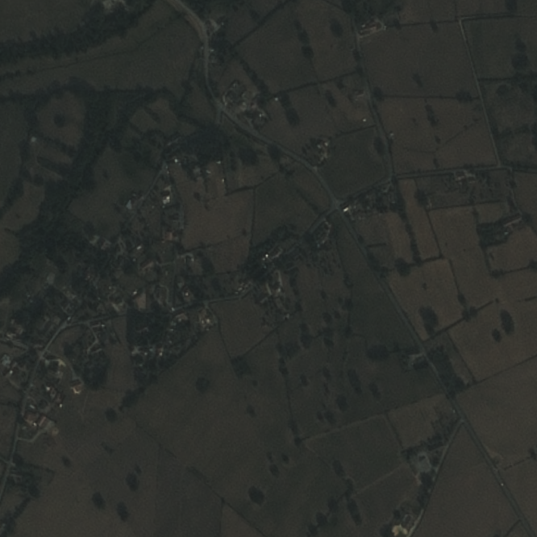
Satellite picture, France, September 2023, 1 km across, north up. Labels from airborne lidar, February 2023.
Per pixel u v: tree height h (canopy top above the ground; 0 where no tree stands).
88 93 23
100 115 7
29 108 0
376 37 0
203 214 0
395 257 0
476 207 0
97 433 0
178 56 0
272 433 0
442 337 0
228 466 0
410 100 0
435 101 0
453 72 0
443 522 0
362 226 0
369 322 0
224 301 0
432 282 0
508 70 0
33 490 14
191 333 0
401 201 19
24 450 0
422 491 15
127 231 7
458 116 0
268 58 0
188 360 0
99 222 0
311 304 0
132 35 0
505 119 0
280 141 0
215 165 0
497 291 0
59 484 0
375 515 0
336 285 0
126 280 0
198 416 0
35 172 0
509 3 17
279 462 0
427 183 0
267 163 0
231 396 0
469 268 0
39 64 0
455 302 0
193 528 0
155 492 0
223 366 0
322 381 0
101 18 14
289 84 0
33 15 0
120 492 0
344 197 0
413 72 0
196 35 0
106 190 0
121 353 0
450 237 0
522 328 0
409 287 0
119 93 5
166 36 0
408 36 0
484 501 0
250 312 0
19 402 5
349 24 0
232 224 0
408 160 0
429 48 0
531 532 0
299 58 0
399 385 0
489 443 0
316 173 0
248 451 0
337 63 0
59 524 0
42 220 19
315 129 0
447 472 0
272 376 0
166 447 0
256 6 0
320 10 0
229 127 0
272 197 0
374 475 0
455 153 0
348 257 0
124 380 0
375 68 0
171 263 16
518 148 0
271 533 0
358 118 0
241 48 0
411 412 0
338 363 0
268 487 0
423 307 0
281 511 0
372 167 0
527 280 0
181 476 0
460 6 0
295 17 0
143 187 0
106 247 0
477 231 7
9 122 0
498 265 0
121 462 0
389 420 0
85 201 0
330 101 16
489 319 0
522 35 0
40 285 0
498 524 0
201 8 7
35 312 20
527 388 0
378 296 0
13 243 0
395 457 0
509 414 0
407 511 0
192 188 0
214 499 0
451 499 0
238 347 0
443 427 7
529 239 0
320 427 0
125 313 0
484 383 0
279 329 0
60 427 0
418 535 0
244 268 10
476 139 0
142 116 0
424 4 0
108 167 0
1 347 0
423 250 0
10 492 0
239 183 0
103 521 0
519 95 0
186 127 0
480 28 0
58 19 0
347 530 0
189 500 0
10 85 0
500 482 0
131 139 0
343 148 0
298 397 0
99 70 0
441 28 0
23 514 0
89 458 0
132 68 0
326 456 0
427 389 0
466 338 0
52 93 11
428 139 0
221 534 0
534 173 0
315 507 0
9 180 0
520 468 0
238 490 0
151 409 0
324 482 0
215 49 12
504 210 0
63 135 0
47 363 0
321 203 0
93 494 0
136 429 0
